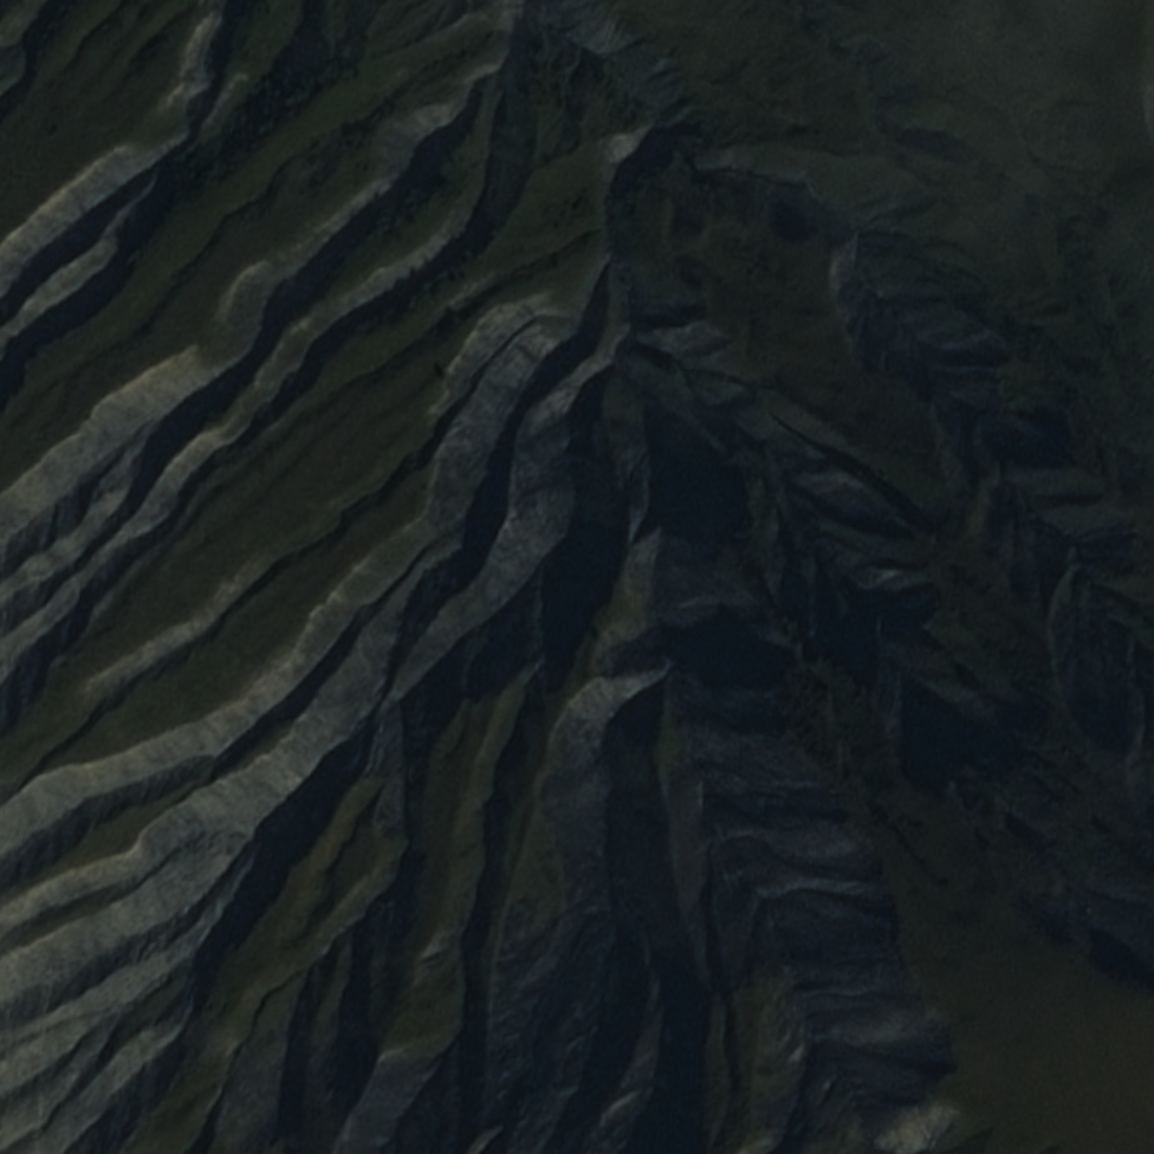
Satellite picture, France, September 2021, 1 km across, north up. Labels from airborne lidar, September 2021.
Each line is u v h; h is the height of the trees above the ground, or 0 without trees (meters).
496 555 0
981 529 0
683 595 0
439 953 0
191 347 0
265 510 0
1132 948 0
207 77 0
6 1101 0
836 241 0
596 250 0
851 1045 0
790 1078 0
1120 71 0
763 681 0
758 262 0
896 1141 0
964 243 0
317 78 11
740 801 0
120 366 0
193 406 0
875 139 0
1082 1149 0
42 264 0
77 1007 0
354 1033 0
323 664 0
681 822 0
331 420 0
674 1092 0
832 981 0
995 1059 0
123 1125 0
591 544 0
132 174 0
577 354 0
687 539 0
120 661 0
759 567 0
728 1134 0
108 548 0
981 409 0
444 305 0
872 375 0
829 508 0
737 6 0
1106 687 0
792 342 0
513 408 0
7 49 0
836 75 0
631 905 0
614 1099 0
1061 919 0
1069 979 0
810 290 0
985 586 0
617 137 0
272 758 0
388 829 0
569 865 0
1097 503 0
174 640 0
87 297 0
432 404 0
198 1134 0
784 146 0
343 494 0
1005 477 0
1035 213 0
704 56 0
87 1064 0
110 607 0
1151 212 0
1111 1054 0
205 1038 0
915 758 0
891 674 0
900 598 0
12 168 0
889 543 0
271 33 0
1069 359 0
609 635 0
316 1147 0
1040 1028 0
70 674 0
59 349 0
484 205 0
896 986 0
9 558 0
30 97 0
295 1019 0
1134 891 0
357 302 0
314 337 0
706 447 0
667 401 0
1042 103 0
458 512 0
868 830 0
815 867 0
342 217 0
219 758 0
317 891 0
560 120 0
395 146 0
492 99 0
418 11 0
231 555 0
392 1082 0
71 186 0
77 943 0
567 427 0
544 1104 0
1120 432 0
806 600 0
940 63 0
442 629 0
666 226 0
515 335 0
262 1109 0
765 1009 0
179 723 0
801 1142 0
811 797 0
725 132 0
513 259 0
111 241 0
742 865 0
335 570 0
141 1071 0
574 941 0
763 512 0
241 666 0
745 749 0
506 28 0
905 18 0
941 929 0
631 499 0
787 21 0
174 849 0
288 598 0
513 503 0
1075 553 0
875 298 0
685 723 0
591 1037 0
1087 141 0
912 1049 0
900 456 0
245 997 0
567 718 0
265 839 0
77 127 0
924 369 0
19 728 0
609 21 0
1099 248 0
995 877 0
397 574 0
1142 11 0
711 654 0
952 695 0
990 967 0
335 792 0
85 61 0
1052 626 0
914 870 0
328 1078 0
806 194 0
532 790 0
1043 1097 0
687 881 0
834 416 0
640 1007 0
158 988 0
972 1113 0
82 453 0
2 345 0
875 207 0
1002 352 0
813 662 0
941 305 0
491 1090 0
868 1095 0
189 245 0
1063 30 0
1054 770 0
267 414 0
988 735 0
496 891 0
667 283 0
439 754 0
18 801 0
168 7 0
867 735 0
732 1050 0
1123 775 0
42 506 0
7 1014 0
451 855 0
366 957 0
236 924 0
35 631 0
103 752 0
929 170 0
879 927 0
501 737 0
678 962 0
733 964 0
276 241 0
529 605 0
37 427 0
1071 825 0
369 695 0
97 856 0
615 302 0
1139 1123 0
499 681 0
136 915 0
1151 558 0
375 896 0
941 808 0
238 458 0
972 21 0
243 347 0
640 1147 0
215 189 0
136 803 0
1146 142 0
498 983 0
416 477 0
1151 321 0
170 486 0
